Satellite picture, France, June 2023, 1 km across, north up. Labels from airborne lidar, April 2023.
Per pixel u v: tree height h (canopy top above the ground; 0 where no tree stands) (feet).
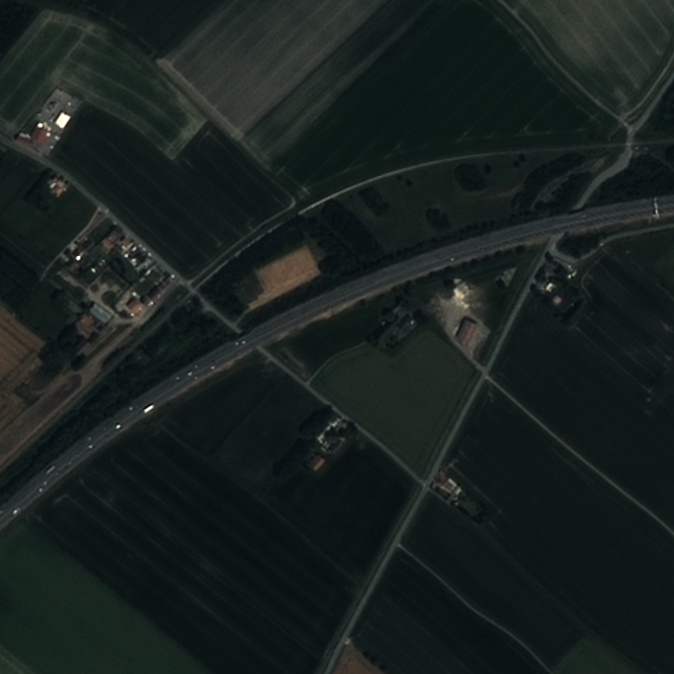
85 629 0
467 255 0
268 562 0
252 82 0
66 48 0
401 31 0
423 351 0
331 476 0
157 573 0
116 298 0
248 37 0
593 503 0
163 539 0
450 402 0
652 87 0
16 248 0
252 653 0
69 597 0
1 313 0
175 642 0
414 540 0
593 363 0
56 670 0
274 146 0
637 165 20
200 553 0
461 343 0
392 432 0
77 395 0
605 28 0
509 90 0
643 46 0
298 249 0
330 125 0
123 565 0
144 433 0
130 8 0
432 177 0
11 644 0
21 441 0
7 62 0
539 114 0
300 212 0
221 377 0
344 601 0
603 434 0
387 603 0
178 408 0
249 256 60
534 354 0
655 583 0
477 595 0
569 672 0
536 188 28
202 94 0
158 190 0
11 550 0
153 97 0
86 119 0
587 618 0
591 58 0
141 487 0
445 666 0
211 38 0
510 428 0
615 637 0
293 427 0
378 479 0
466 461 0
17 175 0
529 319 0
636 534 0
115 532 0
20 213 0
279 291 0
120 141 0
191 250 0
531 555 0
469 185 28
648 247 0
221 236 0
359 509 0
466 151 0
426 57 0
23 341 0
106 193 0
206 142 0
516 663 0
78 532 0
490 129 0
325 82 0
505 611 0
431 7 0
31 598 0
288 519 0
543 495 0
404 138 0
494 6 0
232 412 0
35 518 0
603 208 0
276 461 0
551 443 0
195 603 0
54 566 0
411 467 0
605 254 0
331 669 0
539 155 0
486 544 0
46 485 0
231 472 0
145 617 0
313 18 0
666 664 0
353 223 57
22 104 0
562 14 0
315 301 0
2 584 0
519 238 0
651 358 0
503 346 0
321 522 0
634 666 0
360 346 0
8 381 0
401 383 0
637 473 0
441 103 0
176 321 71
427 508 0
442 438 0
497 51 0
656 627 0
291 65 0
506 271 0
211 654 0
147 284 0
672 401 0
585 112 0
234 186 0
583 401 0
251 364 0
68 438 44
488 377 0
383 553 0
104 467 0
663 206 0
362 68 0
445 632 0
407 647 0
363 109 0
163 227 0
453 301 0
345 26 0
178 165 0
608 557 0
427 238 0
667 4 0
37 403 0
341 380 0
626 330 0
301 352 0
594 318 0
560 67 0
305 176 0
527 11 0
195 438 0
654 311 0
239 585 0
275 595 0
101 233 0
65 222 0
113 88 0
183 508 0
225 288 62
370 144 0
